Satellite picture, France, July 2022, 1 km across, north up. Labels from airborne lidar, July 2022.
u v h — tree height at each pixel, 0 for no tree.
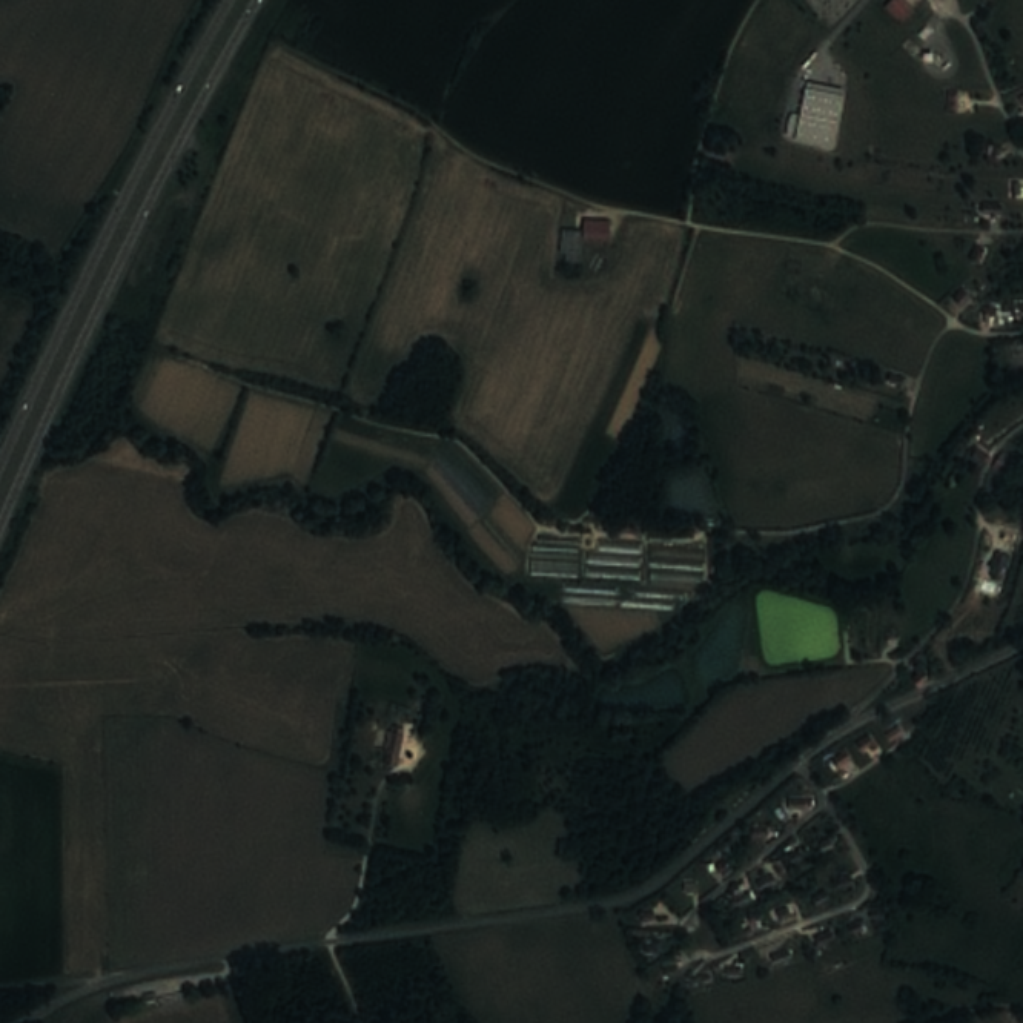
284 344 0
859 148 0
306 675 0
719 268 0
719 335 0
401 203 0
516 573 0
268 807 0
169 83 12
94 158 0
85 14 0
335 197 0
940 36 0
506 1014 0
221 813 0
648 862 8
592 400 0
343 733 9
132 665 0
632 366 0
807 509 0
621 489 21
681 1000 16
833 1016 0
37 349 8
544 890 0
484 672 0
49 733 0
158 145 0
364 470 0
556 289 0
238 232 0
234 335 0
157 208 0
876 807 0
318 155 0
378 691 0
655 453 25
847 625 0
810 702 0
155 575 0
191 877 0
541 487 0
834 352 8
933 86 0
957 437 9
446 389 18
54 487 0
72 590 0
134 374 8
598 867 9
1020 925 0
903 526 13
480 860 0
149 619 0
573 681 19
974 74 0
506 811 8
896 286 0
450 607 0
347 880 0
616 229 0
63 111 0
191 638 0
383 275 0
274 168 0
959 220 0
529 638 0
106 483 0
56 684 0
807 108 0
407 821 0
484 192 0
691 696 0
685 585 0
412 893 7
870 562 0
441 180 0
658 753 10
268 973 30
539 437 0
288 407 0
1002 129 0
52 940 0
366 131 0
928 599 0
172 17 0
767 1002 0
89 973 0
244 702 0
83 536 0
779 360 7
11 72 0
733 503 0
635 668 19
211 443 0
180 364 0
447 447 0
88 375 8
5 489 0
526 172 10
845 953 0
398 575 0
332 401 10
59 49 0
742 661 0
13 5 0
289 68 0
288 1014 13
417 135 0
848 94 0
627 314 0
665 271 0
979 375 0
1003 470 14
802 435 0
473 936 0
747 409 0
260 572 0
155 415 0
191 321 0
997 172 0
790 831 0
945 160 11
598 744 0
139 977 0
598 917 12
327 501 14
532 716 16
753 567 22
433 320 0
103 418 12
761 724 0
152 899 0
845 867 0
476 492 0
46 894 0
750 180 16
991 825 0
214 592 0
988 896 0
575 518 0
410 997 22
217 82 0
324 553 0
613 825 12
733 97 0
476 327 0
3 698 0
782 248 0
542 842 0
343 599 0
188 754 0
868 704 0
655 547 0
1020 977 0
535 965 0
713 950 0
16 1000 21
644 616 0
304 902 0
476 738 10
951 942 0
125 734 0
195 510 18
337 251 0
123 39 0
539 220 0
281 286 0
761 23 0
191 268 0
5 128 0
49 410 0
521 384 0
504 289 0
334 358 0
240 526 0
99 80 0
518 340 0
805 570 18
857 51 0
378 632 15
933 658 7
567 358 0
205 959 0
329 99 0
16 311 0
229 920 0
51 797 0
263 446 0
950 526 14
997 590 0
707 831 0
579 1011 0
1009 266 6
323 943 0
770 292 0
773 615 0
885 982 0
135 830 0
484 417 0
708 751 0
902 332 0
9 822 0
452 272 0
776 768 9
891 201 0
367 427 0
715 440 0
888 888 15
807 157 0
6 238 15
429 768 0
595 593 0
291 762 0
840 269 0
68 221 0
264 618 0
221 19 0
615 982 0
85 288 0
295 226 0
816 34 0
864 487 0
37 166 0
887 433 0
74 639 0
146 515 0
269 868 0
